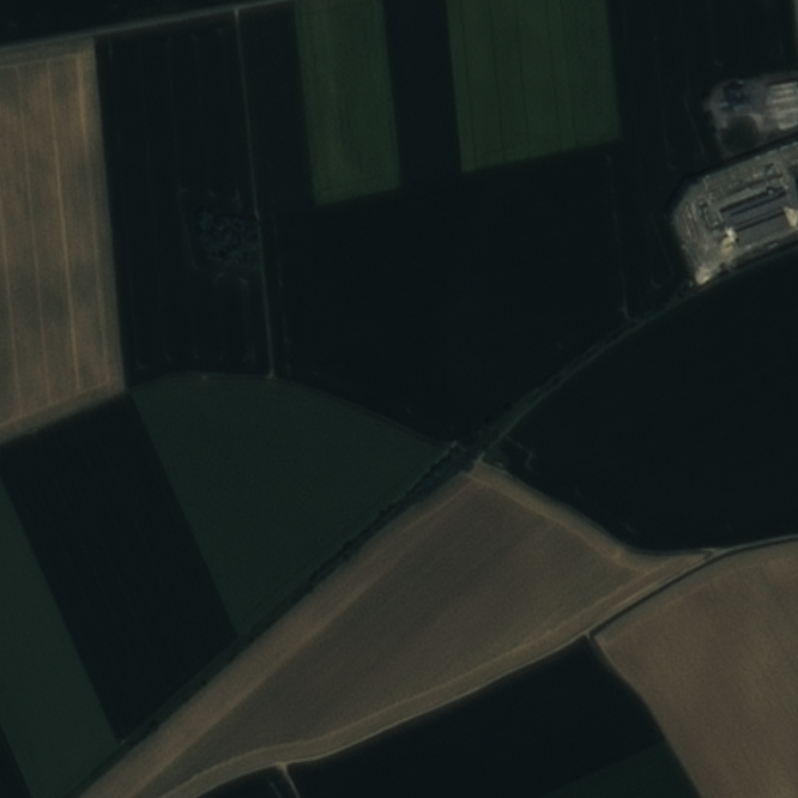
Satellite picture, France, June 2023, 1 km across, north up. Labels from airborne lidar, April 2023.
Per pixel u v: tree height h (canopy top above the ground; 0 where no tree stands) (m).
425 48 0
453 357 0
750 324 0
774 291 0
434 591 0
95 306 0
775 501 0
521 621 0
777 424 0
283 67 0
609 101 0
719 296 0
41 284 0
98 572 0
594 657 0
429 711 0
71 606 0
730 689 0
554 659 0
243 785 0
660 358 0
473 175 0
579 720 0
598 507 0
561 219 0
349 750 0
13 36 0
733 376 0
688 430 0
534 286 0
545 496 0
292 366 0
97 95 0
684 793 0
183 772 0
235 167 0
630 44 0
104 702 0
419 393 0
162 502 0
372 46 0
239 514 0
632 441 0
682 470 0
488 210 0
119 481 0
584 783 0
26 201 0
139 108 0
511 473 0
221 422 0
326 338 0
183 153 0
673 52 0
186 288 0
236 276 0
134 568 0
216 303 0
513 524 0
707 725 0
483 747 0
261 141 0
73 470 0
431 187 0
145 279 0
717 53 0
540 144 0
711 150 0
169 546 0
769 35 0
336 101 0
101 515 0
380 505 0
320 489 0
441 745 0
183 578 0
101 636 0
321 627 0
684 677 0
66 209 0
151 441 0
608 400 0
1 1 0
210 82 0
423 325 0
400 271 0
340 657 0
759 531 0
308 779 0
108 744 0
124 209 0
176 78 0
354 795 0
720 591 0
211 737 0
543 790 0
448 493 0
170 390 0
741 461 0
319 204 0
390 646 0
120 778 0
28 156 0
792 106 0
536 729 0
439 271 0
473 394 0
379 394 0
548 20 0
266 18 0
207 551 0
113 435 0
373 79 0
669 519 0
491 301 0
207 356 0
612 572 0
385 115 0
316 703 0
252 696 0
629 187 0
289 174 0
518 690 0
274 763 0
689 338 0
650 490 0
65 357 0
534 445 0
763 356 0
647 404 0
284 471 0
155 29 0
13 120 0
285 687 0
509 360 0
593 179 0
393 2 0
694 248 0
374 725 0
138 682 0
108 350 0
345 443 0
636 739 0
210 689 0
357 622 0
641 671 0
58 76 0
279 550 0
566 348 0
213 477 0
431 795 0
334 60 0
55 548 0
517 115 0
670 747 0
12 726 0
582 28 0
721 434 0
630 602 0
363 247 0
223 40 0
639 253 0
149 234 0
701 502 0
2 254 0
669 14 0
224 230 18
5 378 0
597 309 0
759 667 0
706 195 0
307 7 0
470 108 0
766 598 0
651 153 0
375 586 0
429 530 0
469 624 0
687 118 0
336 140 0
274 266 0
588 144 0
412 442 0
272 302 0
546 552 0
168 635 0
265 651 0
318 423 0
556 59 0
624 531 0
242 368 0
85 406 0
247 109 0
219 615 0
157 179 0
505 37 0
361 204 0
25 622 0
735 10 0
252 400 0
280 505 0
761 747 0
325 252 0
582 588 0
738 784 0
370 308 0
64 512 0
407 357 0
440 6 0
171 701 0
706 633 0
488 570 0
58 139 0
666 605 0
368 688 0
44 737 0
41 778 0
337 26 0
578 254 0
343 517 0
